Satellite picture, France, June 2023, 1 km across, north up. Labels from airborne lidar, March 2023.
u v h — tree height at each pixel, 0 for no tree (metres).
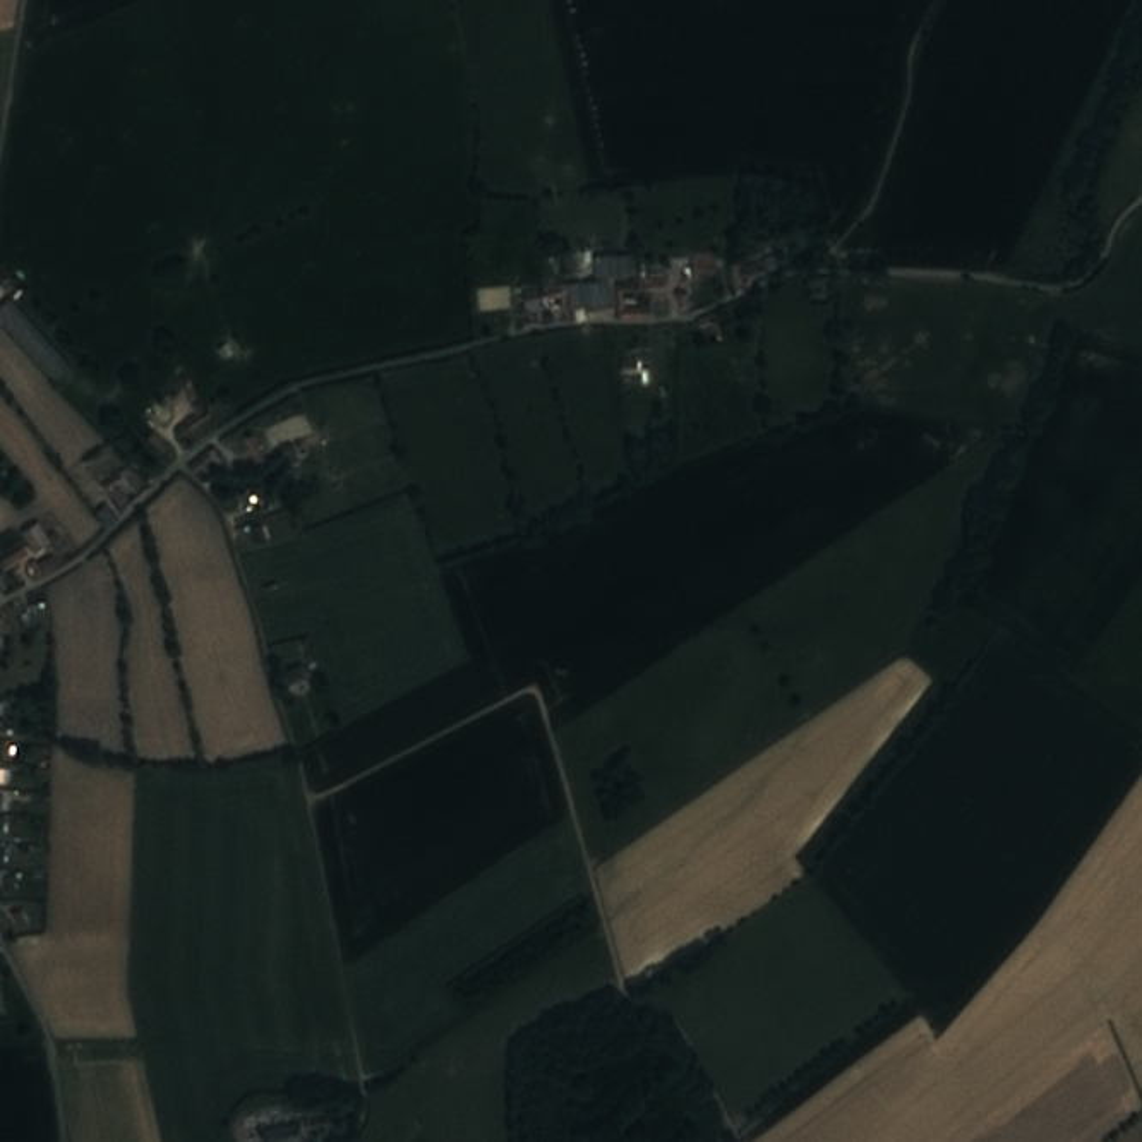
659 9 0
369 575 0
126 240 0
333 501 0
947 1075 0
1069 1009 0
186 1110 0
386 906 0
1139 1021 0
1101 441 0
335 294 0
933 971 0
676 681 0
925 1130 0
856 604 0
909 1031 0
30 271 0
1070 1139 0
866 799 11
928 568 0
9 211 0
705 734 0
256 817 0
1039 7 0
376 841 0
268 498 9
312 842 0
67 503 0
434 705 0
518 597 0
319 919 0
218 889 0
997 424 0
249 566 0
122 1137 0
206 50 0
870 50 0
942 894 0
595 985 0
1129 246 0
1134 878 0
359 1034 0
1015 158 0
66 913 0
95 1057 0
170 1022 0
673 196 0
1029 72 0
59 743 6
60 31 0
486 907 0
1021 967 0
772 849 0
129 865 0
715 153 0
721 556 0
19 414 8
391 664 0
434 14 0
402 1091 0
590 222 0
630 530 0
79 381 0
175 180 0
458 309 0
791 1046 0
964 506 0
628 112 0
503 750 0
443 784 0
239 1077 0
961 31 0
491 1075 0
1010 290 0
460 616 0
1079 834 0
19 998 0
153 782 0
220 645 0
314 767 0
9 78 0
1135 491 0
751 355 0
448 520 0
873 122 0
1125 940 0
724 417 0
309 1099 20
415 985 0
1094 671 0
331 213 0
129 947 0
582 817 0
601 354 0
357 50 0
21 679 0
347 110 0
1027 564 0
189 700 7
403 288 0
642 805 0
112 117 0
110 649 0
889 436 0
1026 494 0
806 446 0
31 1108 0
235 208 0
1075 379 0
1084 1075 0
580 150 0
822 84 0
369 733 0
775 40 0
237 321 0
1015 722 0
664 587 0
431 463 0
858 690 0
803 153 0
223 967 0
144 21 0
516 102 0
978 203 0
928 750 0
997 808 0
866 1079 0
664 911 0
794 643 0
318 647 0
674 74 0
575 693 0
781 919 0
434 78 0
